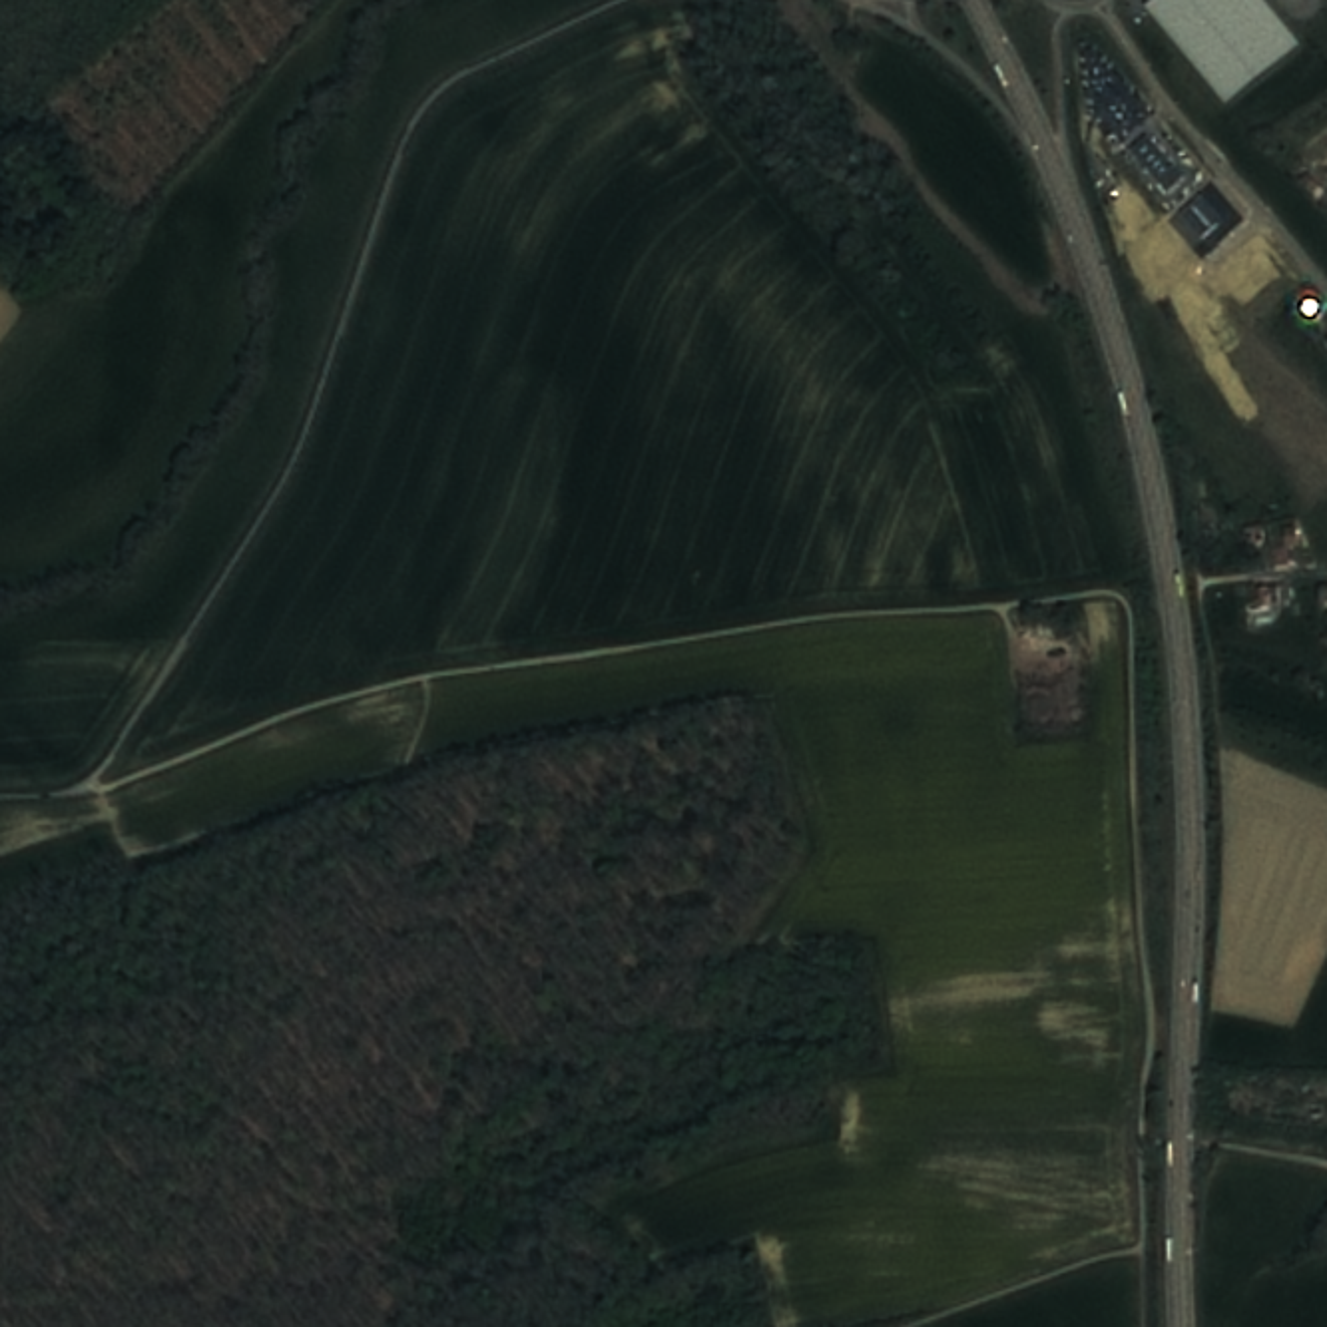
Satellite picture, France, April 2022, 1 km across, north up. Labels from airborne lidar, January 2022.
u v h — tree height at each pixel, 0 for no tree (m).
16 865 0
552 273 0
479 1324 32
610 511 0
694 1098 16
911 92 0
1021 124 0
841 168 22
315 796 0
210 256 0
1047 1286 0
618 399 0
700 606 0
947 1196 0
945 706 0
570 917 31
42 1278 23
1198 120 0
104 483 0
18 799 0
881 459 0
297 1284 26
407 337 0
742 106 17
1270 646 0
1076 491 0
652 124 0
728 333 0
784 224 0
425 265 0
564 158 0
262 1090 28
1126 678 0
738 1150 22
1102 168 0
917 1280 0
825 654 0
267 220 11
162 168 13
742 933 26
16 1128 29
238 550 0
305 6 12
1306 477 0
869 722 0
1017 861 0
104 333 0
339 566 0
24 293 15
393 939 21
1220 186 0
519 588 0
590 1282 31
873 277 11
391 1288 31
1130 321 0
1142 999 0
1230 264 0
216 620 0
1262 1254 0
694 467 0
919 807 0
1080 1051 0
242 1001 23
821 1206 0
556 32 0
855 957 16
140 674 0
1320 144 0
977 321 6
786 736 0
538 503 0
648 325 0
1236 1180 0
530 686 0
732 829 26
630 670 0
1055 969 0
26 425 0
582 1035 29
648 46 0
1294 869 0
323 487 0
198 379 0
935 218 6
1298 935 0
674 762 25
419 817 27
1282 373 0
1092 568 0
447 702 0
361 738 0
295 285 0
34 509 0
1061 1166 0
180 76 10
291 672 0
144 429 0
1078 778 0
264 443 0
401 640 0
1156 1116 14
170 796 0
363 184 0
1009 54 0
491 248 0
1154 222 0
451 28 0
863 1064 22
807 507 0
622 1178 28
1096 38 0
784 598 0
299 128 13
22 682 0
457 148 0
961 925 0
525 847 28
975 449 0
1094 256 0
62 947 29
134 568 9
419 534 0
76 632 0
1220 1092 7
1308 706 0
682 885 29
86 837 0
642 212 0
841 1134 0
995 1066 0
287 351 0
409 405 0
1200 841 0
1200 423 0
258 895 25
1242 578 0
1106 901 0
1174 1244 0
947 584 0
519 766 26
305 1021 29
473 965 30
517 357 0
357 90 20
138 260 18
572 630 0
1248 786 0
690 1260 0
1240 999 0
